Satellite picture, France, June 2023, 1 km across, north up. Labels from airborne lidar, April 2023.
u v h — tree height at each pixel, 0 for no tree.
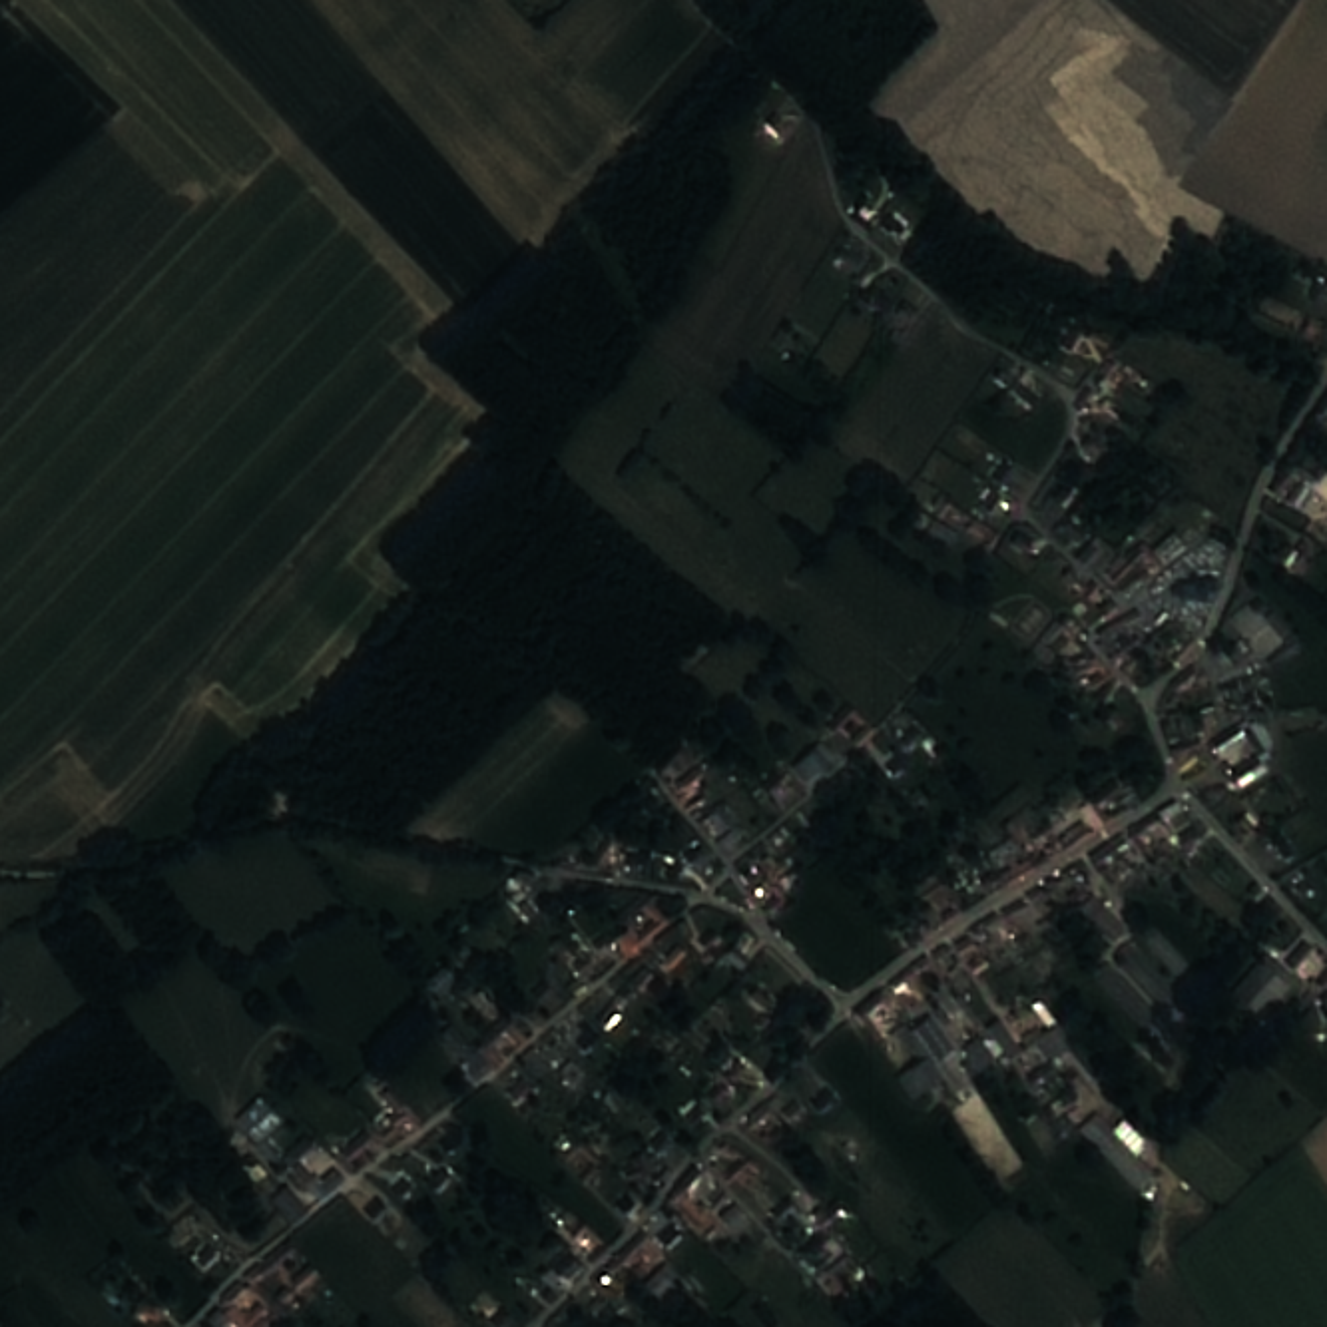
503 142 0
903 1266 0
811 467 0
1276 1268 0
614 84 0
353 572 0
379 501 0
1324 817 0
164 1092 20
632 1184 6
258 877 0
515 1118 0
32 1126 19
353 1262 0
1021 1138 0
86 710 0
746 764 9
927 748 0
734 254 0
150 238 0
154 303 0
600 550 8
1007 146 0
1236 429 0
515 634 8
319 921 12
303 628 0
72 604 0
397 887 0
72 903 16
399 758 14
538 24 8
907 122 0
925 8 12
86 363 0
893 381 0
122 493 0
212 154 0
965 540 0
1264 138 0
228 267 0
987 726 0
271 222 0
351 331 0
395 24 0
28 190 0
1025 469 0
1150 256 0
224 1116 0
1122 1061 20
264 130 0
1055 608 0
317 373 0
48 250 0
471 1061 0
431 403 0
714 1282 0
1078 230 0
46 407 0
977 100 0
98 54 0
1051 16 0
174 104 0
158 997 0
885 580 0
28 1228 13
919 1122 0
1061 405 0
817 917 0
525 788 0
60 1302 0
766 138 0
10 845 0
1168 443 0
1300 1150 0
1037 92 0
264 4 0
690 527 0
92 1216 0
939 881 0
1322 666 0
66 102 0
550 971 0
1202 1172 0
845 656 0
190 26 0
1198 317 26
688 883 0
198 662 0
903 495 14
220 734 0
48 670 0
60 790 0
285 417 0
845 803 11
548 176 0
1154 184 0
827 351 0
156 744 0
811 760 0
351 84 0
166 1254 0
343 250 0
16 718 0
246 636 0
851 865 7
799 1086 0
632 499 0
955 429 0
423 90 0
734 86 26
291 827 11
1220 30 0
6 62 0
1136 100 0
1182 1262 0
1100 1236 0
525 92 0
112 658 0
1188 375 0
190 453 0
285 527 0
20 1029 0
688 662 0
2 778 0
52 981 0
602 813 15
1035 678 11
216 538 0
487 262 0
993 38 0
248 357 0
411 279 0
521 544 16
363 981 0
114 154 0
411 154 0
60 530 0
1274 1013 19
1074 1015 22
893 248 0
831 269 0
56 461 0
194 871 0
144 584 0
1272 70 0
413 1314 0
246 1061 0
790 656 9
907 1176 0
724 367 0
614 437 0
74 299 0
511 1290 0
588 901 7
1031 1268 0
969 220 17
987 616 0
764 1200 0
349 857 0
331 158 0
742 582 0
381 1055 27
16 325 0
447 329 19
